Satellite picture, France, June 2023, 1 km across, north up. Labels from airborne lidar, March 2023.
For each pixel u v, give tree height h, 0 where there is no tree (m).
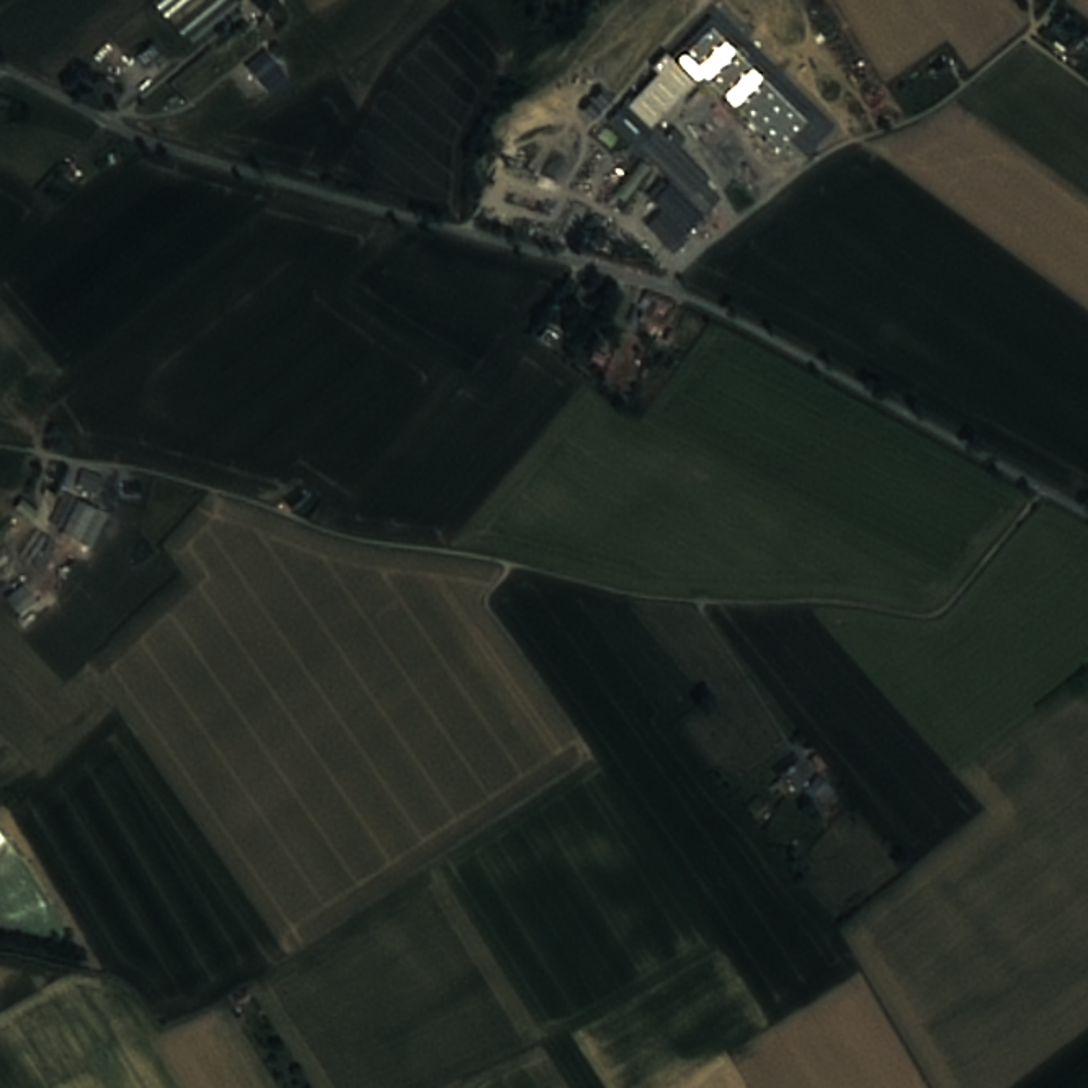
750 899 0
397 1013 0
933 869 0
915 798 0
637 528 0
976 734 0
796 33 0
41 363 0
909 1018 0
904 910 0
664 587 0
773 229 0
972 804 0
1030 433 0
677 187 0
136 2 0
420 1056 0
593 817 0
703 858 0
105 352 0
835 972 0
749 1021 0
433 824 0
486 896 0
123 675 0
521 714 0
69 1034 0
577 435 0
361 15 0
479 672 0
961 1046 0
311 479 0
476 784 0
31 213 0
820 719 0
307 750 0
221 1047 0
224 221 0
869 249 0
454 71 0
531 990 0
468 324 0
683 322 0
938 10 0
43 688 0
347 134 0
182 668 0
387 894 0
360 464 0
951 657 0
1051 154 0
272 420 0
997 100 0
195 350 0
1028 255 0
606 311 15
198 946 0
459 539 0
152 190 0
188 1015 0
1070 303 0
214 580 0
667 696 0
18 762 0
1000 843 0
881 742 0
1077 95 0
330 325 0
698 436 0
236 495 0
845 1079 0
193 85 0
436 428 0
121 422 0
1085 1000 0
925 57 0
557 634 0
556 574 0
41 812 0
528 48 0
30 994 0
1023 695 0
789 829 0
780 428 0
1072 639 0
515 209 0
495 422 0
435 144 0
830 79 0
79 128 0
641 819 0
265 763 0
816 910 0
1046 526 0
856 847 0
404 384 0
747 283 0
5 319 0
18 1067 0
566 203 0
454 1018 0
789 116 0
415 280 0
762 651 0
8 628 0
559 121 0
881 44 0
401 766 0
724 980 0
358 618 0
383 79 0
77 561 0
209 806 0
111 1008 0
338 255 0
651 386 0
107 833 0
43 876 0
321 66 0
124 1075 0
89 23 0
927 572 0
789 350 0
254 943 0
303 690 0
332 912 0
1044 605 0
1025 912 0
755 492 0
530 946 0
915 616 0
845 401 0
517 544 0
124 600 0
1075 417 0
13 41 0
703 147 0
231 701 0
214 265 0
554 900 0
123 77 0
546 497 0
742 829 0
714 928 0
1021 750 0
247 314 0
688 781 0
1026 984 0
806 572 0
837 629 0
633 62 0
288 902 0
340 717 0
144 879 0
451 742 0
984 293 0
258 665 0
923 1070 0
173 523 0
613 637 0
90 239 0
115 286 0
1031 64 0
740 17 0
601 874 0
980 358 0
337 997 0
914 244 0
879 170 0
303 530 0
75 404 0
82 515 0
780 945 0
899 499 0
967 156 0
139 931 0
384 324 0
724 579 0
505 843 0
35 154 0
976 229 0
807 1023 0
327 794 0
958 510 0
